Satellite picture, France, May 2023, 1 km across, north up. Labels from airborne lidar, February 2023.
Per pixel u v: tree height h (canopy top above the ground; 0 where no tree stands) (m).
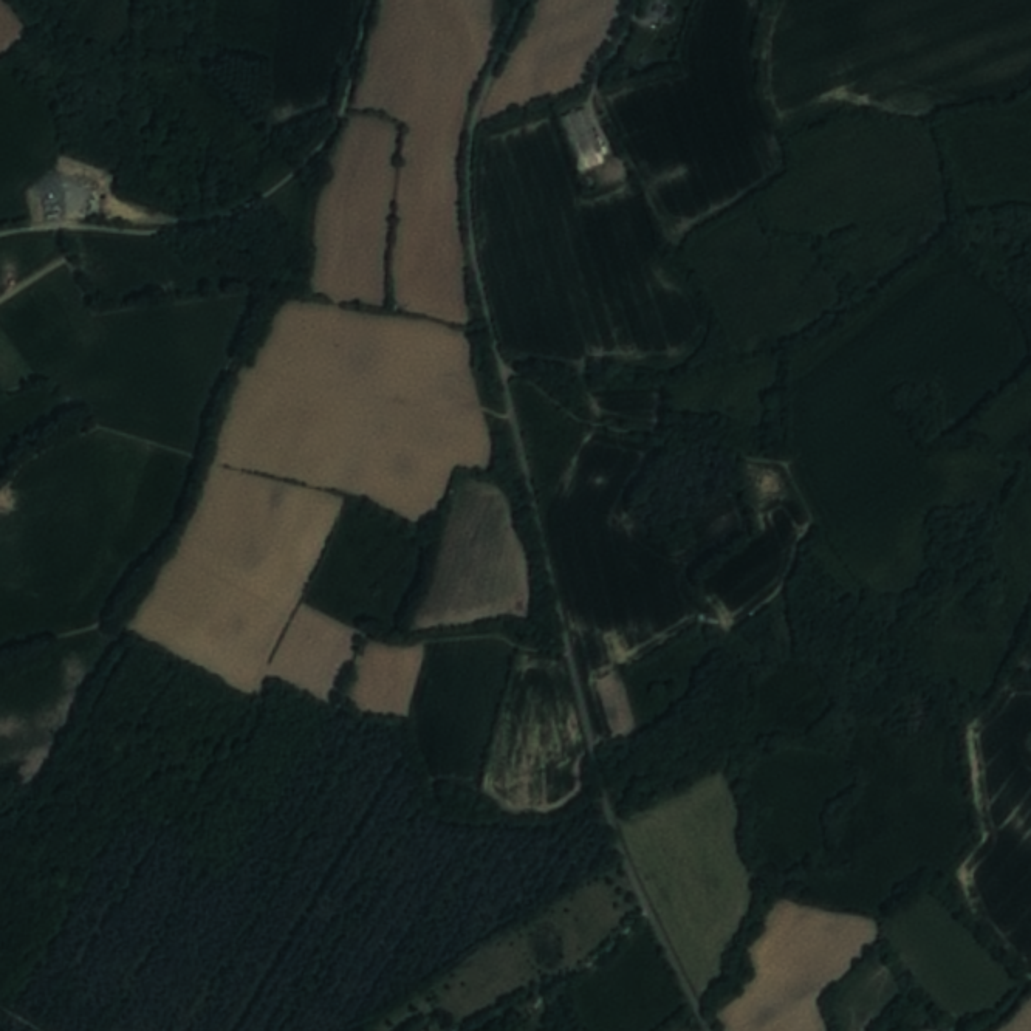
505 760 0
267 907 15
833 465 0
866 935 0
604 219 0
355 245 0
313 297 7
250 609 0
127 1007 11
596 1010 0
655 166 0
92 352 0
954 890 11
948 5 0
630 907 9
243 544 0
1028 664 0
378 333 0
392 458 0
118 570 0
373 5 10
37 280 0
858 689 11
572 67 0
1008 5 0
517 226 0
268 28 0
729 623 0
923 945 0
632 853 0
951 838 0
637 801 11
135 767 12
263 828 18
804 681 0
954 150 0
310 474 0
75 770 11
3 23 0
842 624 15
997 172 0
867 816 0
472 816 11
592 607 0
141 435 0
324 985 9
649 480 17
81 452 0
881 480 0
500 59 10
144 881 13
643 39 0
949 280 0
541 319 0
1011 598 0
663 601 0
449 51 0
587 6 0
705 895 0
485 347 9
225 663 0
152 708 13
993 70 0
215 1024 10
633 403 0
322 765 15
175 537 13
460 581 0
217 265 15
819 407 0
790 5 0
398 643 12
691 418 12
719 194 0
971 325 0
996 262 0
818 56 0
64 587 0
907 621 11
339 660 0
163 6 10
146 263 0
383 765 17
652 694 8
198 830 14
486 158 0
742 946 8
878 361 0
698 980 0
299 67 0
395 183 0
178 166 10
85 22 0
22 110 0
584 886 9
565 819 12
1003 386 10
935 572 13
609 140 12
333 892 13
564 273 0
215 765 8
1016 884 0
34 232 0
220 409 19
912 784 0
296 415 0
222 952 15
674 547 15
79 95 11
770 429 15
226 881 17
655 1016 0
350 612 0
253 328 19
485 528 0
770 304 0
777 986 0
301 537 0
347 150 0
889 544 0
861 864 0
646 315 0
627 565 0
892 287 11
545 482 0
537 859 13
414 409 0
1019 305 11
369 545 0
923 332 0
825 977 0
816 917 0
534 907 8
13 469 15
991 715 0
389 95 0
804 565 10
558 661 9
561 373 16
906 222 0
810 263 0
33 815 12
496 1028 10
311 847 13
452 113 0
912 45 0
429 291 0
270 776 15
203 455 17
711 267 0
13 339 0
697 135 0
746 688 16
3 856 17
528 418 0
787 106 0
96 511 0
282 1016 11
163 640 0
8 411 0
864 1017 0
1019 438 0
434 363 0
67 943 13
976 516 6
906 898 15
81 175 0
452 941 14
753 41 8
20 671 14
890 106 0
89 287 13
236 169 6
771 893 15
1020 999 10
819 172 0
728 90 0
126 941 12
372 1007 16
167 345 0
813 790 0
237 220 16
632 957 0
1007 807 0
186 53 11
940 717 9
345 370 0
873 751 0
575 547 0
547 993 18
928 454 11
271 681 10
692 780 9
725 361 10
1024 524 0
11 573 0
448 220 0
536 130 0
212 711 13
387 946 10
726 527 0
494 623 7
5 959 18
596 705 0
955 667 0
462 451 0
